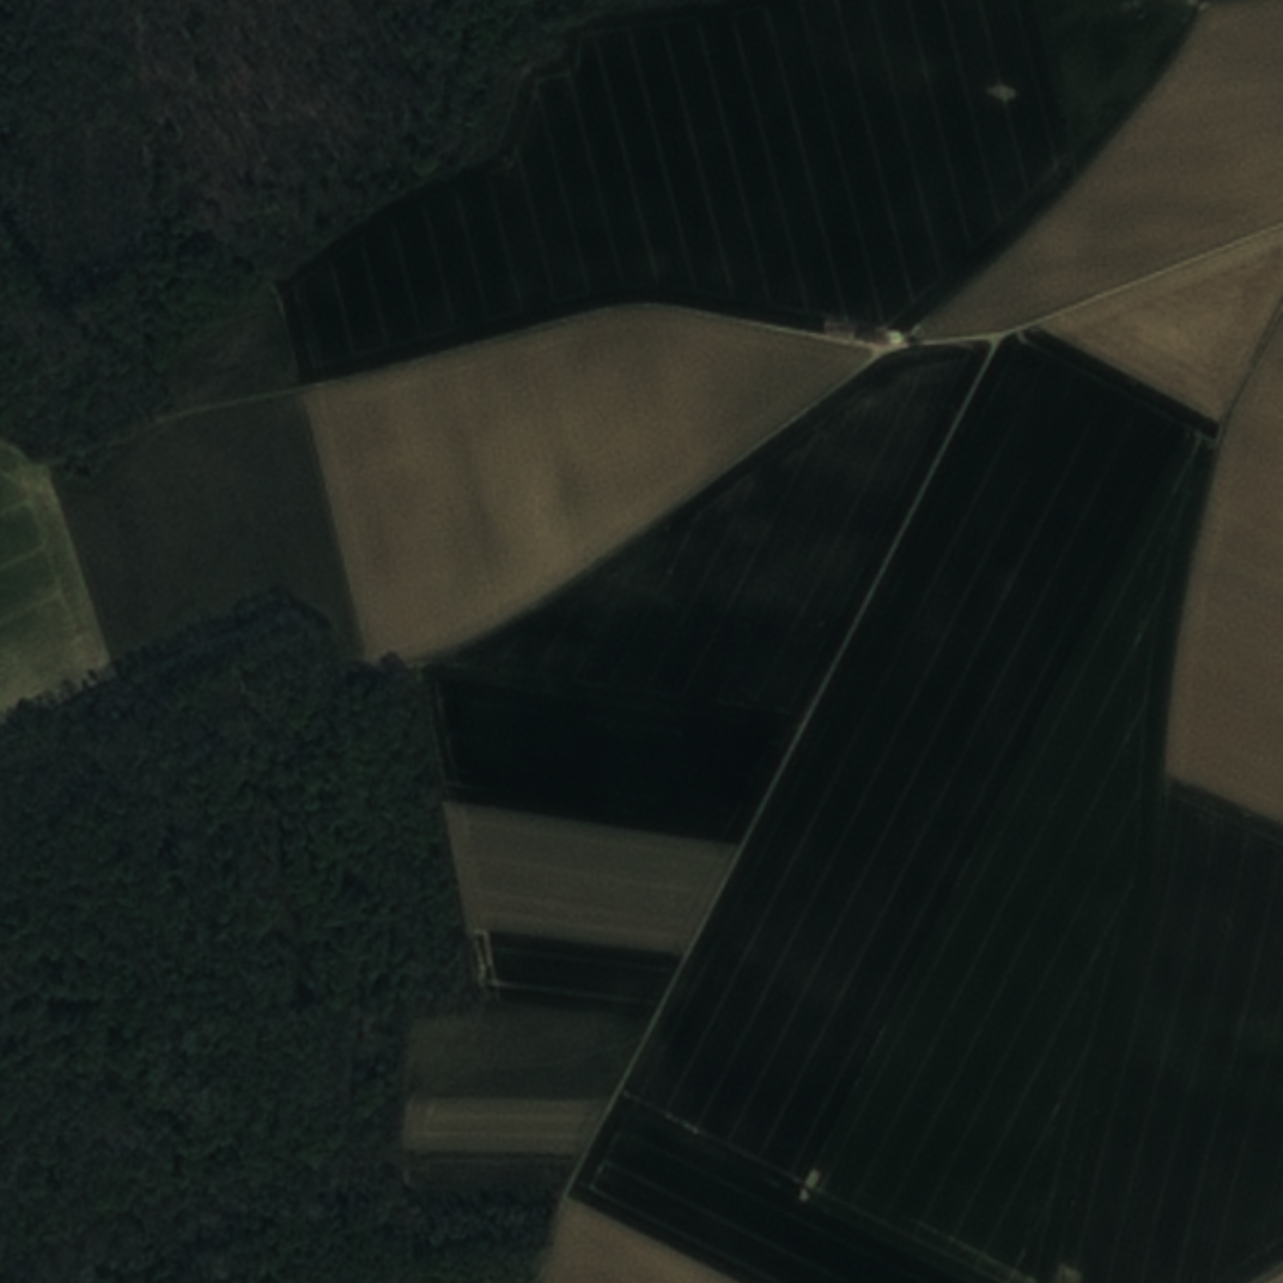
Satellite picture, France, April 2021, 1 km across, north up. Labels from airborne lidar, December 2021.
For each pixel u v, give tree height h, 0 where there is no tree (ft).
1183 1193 0
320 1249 79
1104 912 0
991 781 0
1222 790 0
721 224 0
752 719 0
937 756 0
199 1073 94
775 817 0
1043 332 0
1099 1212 0
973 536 0
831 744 0
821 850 0
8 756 66
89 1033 90
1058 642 0
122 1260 31
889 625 0
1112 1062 0
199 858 72
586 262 0
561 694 0
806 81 0
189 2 78
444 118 73
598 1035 0
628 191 0
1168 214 0
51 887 86
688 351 0
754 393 0
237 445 0
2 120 47
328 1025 81
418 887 64
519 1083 0
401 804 88
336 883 88
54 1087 68
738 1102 0
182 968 90
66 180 67
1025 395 0
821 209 0
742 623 0
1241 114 0
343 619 0
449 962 66
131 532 0
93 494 0
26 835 82
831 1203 0
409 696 71
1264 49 0
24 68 62
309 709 74
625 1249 0
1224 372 0
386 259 0
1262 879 0
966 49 0
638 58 0
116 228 63
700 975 0
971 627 0
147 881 91
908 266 0
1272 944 0
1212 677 0
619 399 0
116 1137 78
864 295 0
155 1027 81
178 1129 73
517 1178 0
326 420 0
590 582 0
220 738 71
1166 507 0
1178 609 0
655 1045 0
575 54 0
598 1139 0
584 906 0
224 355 0
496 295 0
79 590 0
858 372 0
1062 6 0
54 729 76
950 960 0
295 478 0
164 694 69
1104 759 0
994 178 0
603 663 0
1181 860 0
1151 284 0
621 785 0
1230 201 0
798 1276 0
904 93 0
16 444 29
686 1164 0
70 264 53
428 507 0
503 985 0
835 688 0
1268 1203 0
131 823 82
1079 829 0
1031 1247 0
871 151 0
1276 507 0
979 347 0
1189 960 0
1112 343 0
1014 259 0
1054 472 0
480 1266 66
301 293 0
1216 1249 0
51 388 74
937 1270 0
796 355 0
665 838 0
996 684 0
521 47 63
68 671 0
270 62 86
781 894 0
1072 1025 0
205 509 0
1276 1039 0
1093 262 0
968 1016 0
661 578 0
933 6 0
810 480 0
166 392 67
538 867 0
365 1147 91
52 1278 63
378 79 71
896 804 0
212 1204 81
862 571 0
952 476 0
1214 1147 0
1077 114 0
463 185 0
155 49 73
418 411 0
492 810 0
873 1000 0
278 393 0
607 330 0
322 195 30
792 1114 0
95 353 74
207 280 87
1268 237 0
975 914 0
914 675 0
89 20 83
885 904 0
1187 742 0
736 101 0
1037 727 0
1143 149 0
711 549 0
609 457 0
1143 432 0
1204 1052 0
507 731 0
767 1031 0
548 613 0
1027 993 0
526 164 0
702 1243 0
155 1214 66
